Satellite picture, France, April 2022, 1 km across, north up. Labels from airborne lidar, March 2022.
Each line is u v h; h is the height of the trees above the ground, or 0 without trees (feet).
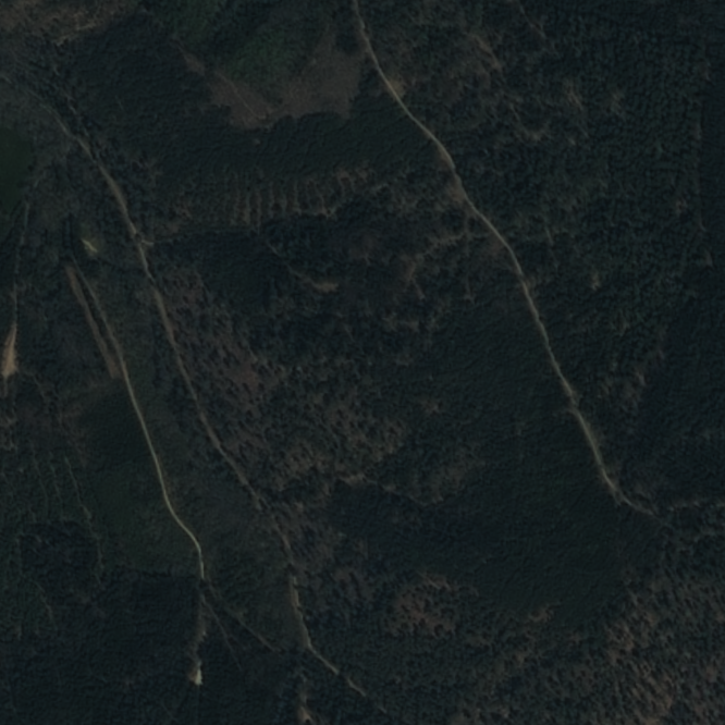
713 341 36
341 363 91
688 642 106
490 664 75
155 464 35
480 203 59
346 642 84
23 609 46
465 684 83
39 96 70
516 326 40
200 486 38
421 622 0
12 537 44
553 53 61
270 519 50
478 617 44
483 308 22
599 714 90
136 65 28
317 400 94
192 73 28
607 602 28
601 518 31
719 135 46
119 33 32
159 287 68
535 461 33
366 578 103
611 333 35
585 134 70
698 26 71
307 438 35
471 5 69
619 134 107
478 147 23
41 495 43
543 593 32
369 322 40
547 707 98
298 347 22
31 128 65
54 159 70
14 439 28
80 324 81
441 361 26
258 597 24
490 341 34
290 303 106
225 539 26
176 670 56
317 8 82
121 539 37
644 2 72
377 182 25
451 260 24
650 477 45
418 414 31
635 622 54
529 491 34
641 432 41
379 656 73
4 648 31
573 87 72
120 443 23
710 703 96
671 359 47
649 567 24
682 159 74
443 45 30
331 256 31
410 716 91
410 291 26
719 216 46
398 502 48
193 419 59
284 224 60
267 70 40
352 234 35
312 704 42
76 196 69
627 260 63
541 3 62
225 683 55
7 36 30
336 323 31
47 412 20
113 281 28
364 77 31
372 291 35
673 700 73
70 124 53
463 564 37
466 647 78
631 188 80
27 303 21
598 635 21
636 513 38
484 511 28
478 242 31
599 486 23
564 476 31
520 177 70
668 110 97
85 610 53
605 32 104
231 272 27
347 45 37
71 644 48
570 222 73
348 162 29
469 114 77
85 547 56
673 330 57
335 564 23
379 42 50
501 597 28
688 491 50
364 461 23
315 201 22
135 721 60
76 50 34
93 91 24
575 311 26
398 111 35
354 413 30
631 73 83
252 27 50
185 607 53
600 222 34
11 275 20
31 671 49
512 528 26
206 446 43
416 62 23
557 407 24
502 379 28
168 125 20
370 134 40
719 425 54
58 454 44
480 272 26
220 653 70
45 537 61
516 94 67
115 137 23
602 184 67
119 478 50
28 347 36
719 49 74
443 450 31
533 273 25
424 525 22
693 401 32
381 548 31
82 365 91
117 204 64
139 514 44
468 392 23
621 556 23
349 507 25
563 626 31
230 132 33
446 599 37
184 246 26
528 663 35
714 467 49
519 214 65
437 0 48
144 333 18
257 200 23
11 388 18
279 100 31
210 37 36
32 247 64
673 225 93
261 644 66
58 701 49
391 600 38
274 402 98
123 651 62
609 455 30
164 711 61
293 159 31
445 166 33
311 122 41
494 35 29
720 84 58
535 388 33
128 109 22
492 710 94
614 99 95
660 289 116
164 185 22
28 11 27
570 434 26
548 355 27
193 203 31
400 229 22
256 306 27
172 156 19
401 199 74
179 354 78
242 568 20
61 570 46
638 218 108
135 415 17
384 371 23
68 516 45
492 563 33
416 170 29
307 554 98
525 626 27
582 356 36
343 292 28
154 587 70
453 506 25
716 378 30
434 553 36
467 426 28
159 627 65
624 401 84
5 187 0
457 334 25
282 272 42
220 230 31
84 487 38
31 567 35
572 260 71
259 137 36
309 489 33
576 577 36
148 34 30
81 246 57
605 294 48
